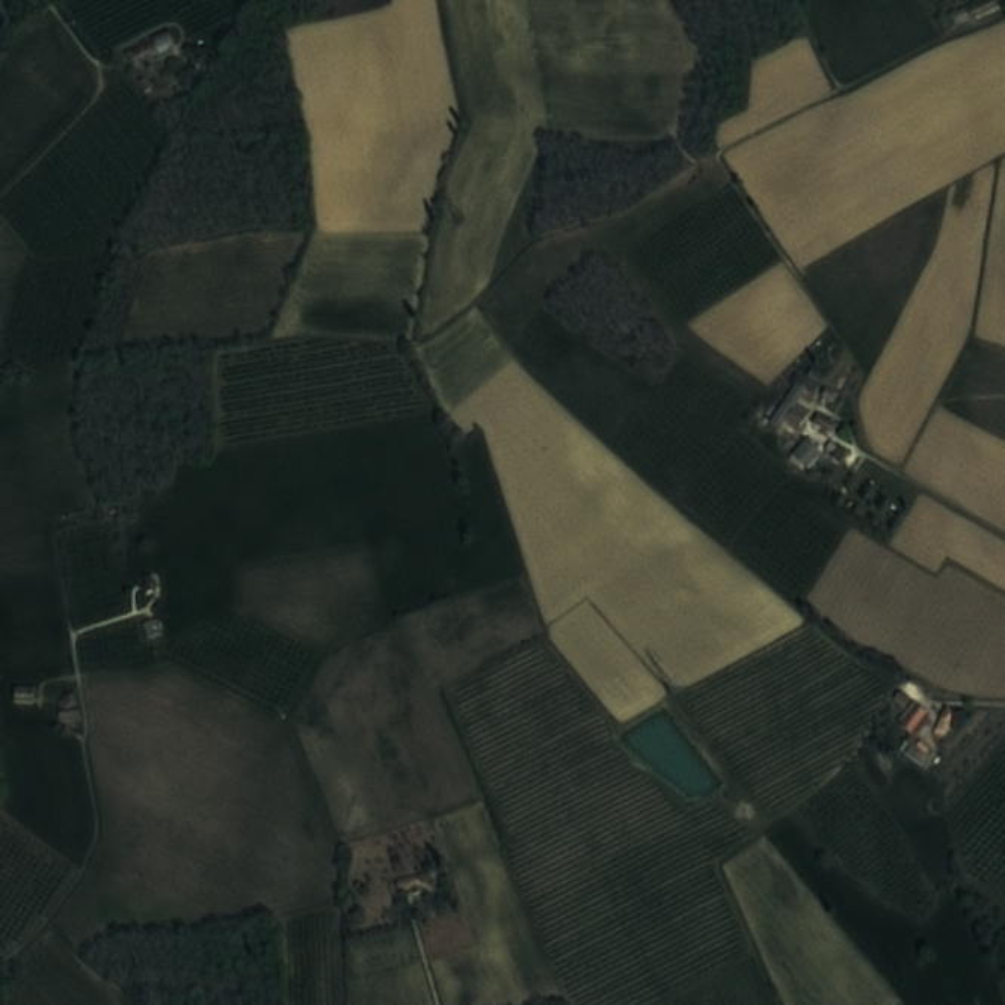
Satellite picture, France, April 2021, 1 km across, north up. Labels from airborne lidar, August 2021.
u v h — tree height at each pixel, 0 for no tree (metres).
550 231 14
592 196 16
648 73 0
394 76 0
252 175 18
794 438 0
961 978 0
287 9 16
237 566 0
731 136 0
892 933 0
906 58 0
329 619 0
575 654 0
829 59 12
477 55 0
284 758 0
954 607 0
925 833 0
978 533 0
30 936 0
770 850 0
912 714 0
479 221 0
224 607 0
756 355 0
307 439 0
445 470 0
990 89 0
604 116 0
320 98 0
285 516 0
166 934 20
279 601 0
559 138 13
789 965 0
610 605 0
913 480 0
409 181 0
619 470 0
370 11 0
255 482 0
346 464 0
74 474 0
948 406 0
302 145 18
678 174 15
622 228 0
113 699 0
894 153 0
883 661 8
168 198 17
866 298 0
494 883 0
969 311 0
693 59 0
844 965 0
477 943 0
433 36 0
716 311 0
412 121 0
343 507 0
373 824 0
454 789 0
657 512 0
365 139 0
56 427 0
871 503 10
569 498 0
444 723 0
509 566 0
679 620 0
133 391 18
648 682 0
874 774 0
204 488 0
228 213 18
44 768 0
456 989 0
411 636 0
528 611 0
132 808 0
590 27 0
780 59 0
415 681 0
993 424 0
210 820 0
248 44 17
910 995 0
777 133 0
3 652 0
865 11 0
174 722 0
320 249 0
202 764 0
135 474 18
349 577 0
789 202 0
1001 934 7
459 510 0
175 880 0
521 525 0
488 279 0
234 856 0
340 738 0
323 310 0
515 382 0
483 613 0
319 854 0
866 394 0
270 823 0
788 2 19
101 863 0
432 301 0
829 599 0
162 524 0
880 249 0
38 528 0
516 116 0
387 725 0
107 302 14
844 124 0
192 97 12
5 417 0
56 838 0
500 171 0
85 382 18
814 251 0
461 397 0
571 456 0
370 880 11
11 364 7
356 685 0
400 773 0
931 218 0
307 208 15
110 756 0
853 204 0
